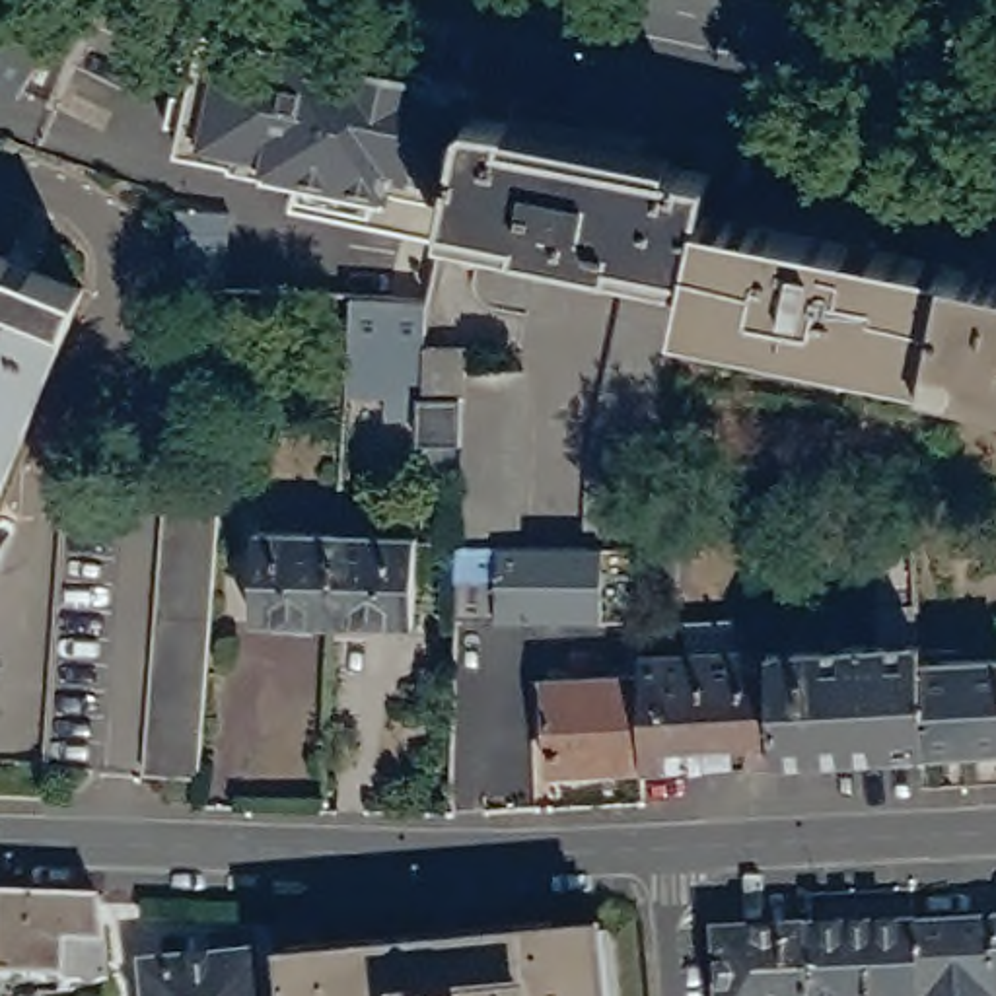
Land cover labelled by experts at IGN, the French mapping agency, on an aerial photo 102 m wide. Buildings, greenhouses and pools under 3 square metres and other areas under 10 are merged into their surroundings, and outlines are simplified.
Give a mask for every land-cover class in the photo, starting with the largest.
<instances>
[{"label":"impervious surface","instance_id":"1","mask_svg":"<svg viewBox=\"0 0 996 996\"><path fill-rule=\"evenodd\" d=\"M424 47H444L447 58L467 66L447 86V101L428 113V128L444 144L486 140L510 152L658 179L661 191L700 198L696 230L704 245L763 257H794L805 265H825L856 276L934 288L938 296L942 284L953 276L957 261H996V226L961 237L945 222L891 230L860 206L836 198L801 206L798 187L790 179H778L755 156L739 152L743 136L728 125V113H735L747 97L743 82L782 62L790 66L798 51L809 43V35L794 31L790 16L774 23L778 0H642L650 19L638 27V39L619 47H591L564 39V27L552 16H479L475 0H409ZM113 31L70 39L62 70L51 78L47 70L27 74L23 62L0 58V257H31L39 261L43 280H66L74 292L70 335L31 412L23 440L27 447L12 459L8 482H0V751L31 747L47 759H74L82 763L78 778V805L66 821H58V805L43 801L39 794H0V887H78L97 891L105 899L93 910L101 965L97 996H128L125 949H187L198 957V949L210 945L265 942L272 953H311L405 938L591 926L603 903H619L642 914L650 996H716V973L700 977L693 957V891L728 883L739 860H755V872L747 875L743 891L790 883L805 872H872L879 883H891V891H918L922 883H969L996 875V759H942L926 763V774L821 770L809 782L782 774L778 782H763V755H755L743 763V770L728 766V774H661L646 778V786H584L545 798L533 794V770L545 766V759H556V747L537 743V685L611 677L630 650L623 646L619 630H611L576 638H533L521 626H498L494 619H467L455 611L451 642V661L459 665L451 673V685H459V739L455 774H447L444 813L389 817L374 809L362 801V786H370L374 766L385 751V700L397 693V681L405 677L424 642L405 630H342L331 638L350 654V669H342L338 693L342 708L346 712L338 716V724H358V755L338 774V805H327L319 798V782H303V759H311L319 747L323 708L327 638H319V630L300 626H261V619L245 607L237 584L226 587V615L237 623V646L245 650V669L230 681L222 739L206 743L202 766L191 778L187 805L175 813L167 805H152L140 794L148 786V774L156 665L163 642V599L156 595V568H163L167 560V533L152 525L148 541L121 549H89L78 541H58L43 514L35 467L39 451H58L70 440L101 436L125 424L136 432V440L160 436L163 428L167 393L148 377L144 366L132 362L125 346L128 331L121 323V300L206 292L214 303H237L249 315H261L280 300V288L350 292L354 300L420 303V323L432 327L424 342L436 350L463 354L475 346L498 350L506 338L517 350V370L510 374H467L459 377L455 397L459 459L467 482L463 549L599 552V537L584 533V502L599 490L603 455L619 451L630 436L681 428L677 416L685 401L673 389V381L685 366L661 358L646 319L650 311L642 303L572 292V280L560 276H533V284L498 280L482 268H471L467 261L440 268L428 257H416L405 272H397V241L335 226L292 222L284 210V195H265L241 183H226L218 175L175 167V132L160 128L167 97L156 93L152 105L136 109L117 97V78L105 58ZM245 798H319V809L303 817L245 809ZM140 899L237 903V922H140ZM907 82H934L953 89L957 70L949 51H930L922 43L895 51V58L879 62V70L872 74L864 117L872 125L899 128V93Z\"/></svg>","mask_w":996,"mask_h":996},{"label":"building","instance_id":"2","mask_svg":"<svg viewBox=\"0 0 996 996\"><path fill-rule=\"evenodd\" d=\"M467 66L447 58L444 47H424L409 74L374 78V86H366L362 97L346 109L315 105L311 89L300 82H280L272 97L257 105H226L202 86L198 93L183 86L179 97H167L160 128L175 132V167L218 175L226 183H241L265 195H284V210L292 222L335 226L397 241V272H405L416 257H428L440 268L467 261L471 268H482L498 280L533 284V276H560L572 280V292L642 303L650 311L646 319L661 358L685 366L751 374V389L790 393L794 385H805L852 397L891 401L926 416L957 420H980L984 436L996 432V261H957L953 276L942 284L938 296L934 288L856 276L825 265H805L794 257H763L704 245L696 230L700 198L661 191L658 179L510 152L486 140L444 144L428 128V113L447 101V86ZM74 292L66 280H43L39 261L31 257H0V482H8L12 459L27 447L23 440L31 412L70 335ZM432 327L420 323V303L354 300L346 307L342 412L354 420L374 412L385 424L405 428L412 436V451L428 459H459L455 397L459 377L467 374L463 354L436 350L424 342ZM249 568H237L230 576L222 552V521L210 517L206 529L167 533V560L163 568H156V595L163 599V642L156 665L148 774L191 778L202 766L206 743V681L198 673L210 661V638L226 642L237 634V623L226 615V587L237 584L245 607L261 619V626H300L319 630V638H331L342 630H405L409 541L385 537L381 529H374L370 537H335L261 529L245 541ZM455 611L467 619H494L498 626H521L533 638H576L611 630L619 619L638 615V595H626L623 556L599 552L463 549L451 560ZM763 634H735L731 619H681L677 638L658 642L650 650H630L611 677L537 685V743L556 747V759H545V766L533 770V794L545 798L584 786H646V778L661 774H728V766L743 770V763L755 755H763V782H778L782 774L809 782L821 770L926 774V763L942 759H996V658L922 661L918 650H840L829 654L833 669H821V654L766 658L759 646ZM755 872V860H739L728 883L693 891V957L700 977L716 973V996H996V875L969 883H922L918 891H891V883H879L872 872H805L790 883L743 891L747 875ZM105 899L97 891L78 887H0V996H97L101 965L93 910ZM128 996H619L615 942L607 930L591 926L405 938L311 953H272L265 942L210 945L198 949V957L187 949H125Z\"/></svg>","mask_w":996,"mask_h":996},{"label":"deciduous trees","instance_id":"3","mask_svg":"<svg viewBox=\"0 0 996 996\"><path fill-rule=\"evenodd\" d=\"M113 31L105 58L117 78V97L136 109L152 105L156 93L167 97H179L183 86L198 93L202 86L226 105H257L272 97L280 82H300L311 89L315 105L346 109L362 97L366 86H374V78L409 74L424 47L409 0H0V58L23 62L27 74L47 70L51 78L62 70L70 39ZM479 16H552L564 27V39L591 47H619L638 39V27L650 19L642 0H475ZM790 16L794 31L809 35V43L798 51L790 66L782 62L743 82L747 97L735 113H728V125L743 136L739 152L755 156L778 179H790L798 187L801 206L836 198L860 206L891 230L945 222L961 237L996 226V0H778L774 23ZM922 43L930 51H949L957 70L953 89L934 82H907L899 93V128L872 125L864 117L872 74L879 70V62L895 58V51ZM354 300L350 292L280 288V300L261 315H249L237 303H214L206 292L121 300V323L128 331L125 346L132 362L144 366L148 377L167 393L163 428L160 436L136 440V432L125 424L101 436L70 440L58 451H39L35 467L43 514L58 541H78L89 549H121L148 541L152 525L167 533L206 529L210 517L222 521L233 514V506L261 498L276 482L272 459L280 440H331L338 436L342 412L346 307ZM467 374H510L517 370V350L506 338L498 350L475 346L463 354ZM751 374L685 366L673 381V389L685 401L677 416L681 428L630 436L619 451L603 455L599 490L584 502V533L599 537V552L623 556L626 595H638V615L619 619L611 630H619L623 646L630 650H650L658 642L677 638L681 619L685 599H677L669 568L677 560H693L704 549L728 545L735 552L731 580L743 587V595H770L782 607L805 611L821 607L829 591L891 580V564L918 549L922 525L949 529V549L969 560L973 580L996 576V475L961 447L957 420L926 416L918 424H883L875 416H860L852 397L805 385H794L790 393V409H759L755 451L739 455L728 451L708 428L716 424L712 401L728 389H751ZM428 459L412 451L397 467L393 482L358 490L354 502L374 529H381L424 525L440 498L436 479L424 475ZM210 661L230 681L245 669V650L237 646V634L226 642L210 638ZM385 716L401 724H420L424 751L416 755L412 774L393 778L374 809L389 817L444 813L447 774H455L459 739V685H409L405 677L397 681V693L385 700ZM346 712L342 708H323L319 747L311 759H303V782H319V798L327 805H338V774L358 755V724H338V716ZM78 778L51 774L47 782H35L27 763L0 766V794H39L43 801L58 805V821H66L78 805Z\"/></svg>","mask_w":996,"mask_h":996},{"label":"herbaceous vegetation","instance_id":"4","mask_svg":"<svg viewBox=\"0 0 996 996\"><path fill-rule=\"evenodd\" d=\"M412 451V436L405 428L385 424L374 412L354 420L342 412L338 436L331 440H280L272 459L276 482L261 498L233 506V514L222 521V552L230 576L237 568H249L245 541L261 529L335 537H370L374 529L354 502L358 490L393 482L397 467ZM961 447L996 475V432L984 436L980 420H957ZM385 537L409 541L405 630L424 642L405 677L409 685H451V673L459 665L451 661V642L428 619L432 591L416 587L420 541L432 537L424 525L381 529ZM677 599H685L681 619H731L735 634H763L759 646L766 658L821 654V669H833L829 654L840 650H918L922 661L996 658V576L973 580L969 560L949 549V529L922 525L918 549L891 564V580L829 591L821 607L805 611L782 607L770 595H743V587L731 580L735 552L728 545L704 549L693 560H677L669 568ZM420 724H401L385 716V751L374 766L370 786H362V801L374 809L393 778L412 774L416 755L424 751ZM27 763L35 782H47L51 774L78 778L82 763L74 759H47L31 747L0 751V766ZM591 926L607 930L615 942L619 996H650L642 914L619 903H603Z\"/></svg>","mask_w":996,"mask_h":996},{"label":"brushwood","instance_id":"5","mask_svg":"<svg viewBox=\"0 0 996 996\"><path fill-rule=\"evenodd\" d=\"M790 393L751 389H728L712 401L716 424L708 428L728 451L739 455L755 451L759 409H790ZM860 416H875L883 424H918L926 416L891 401L852 397ZM424 475L436 479L440 498L424 525L432 537L420 541L416 587L432 591L428 619L451 642L455 611L451 560L463 549L467 482L459 459H428ZM342 669H350V654L331 638H327L323 708H342L338 693ZM206 681V743L222 739L230 681L210 661L198 673ZM191 778L148 774V786L140 794L152 805H167L175 813L187 805ZM245 809L303 817L319 809V798H245ZM140 922H237V903L140 899Z\"/></svg>","mask_w":996,"mask_h":996}]
</instances>
